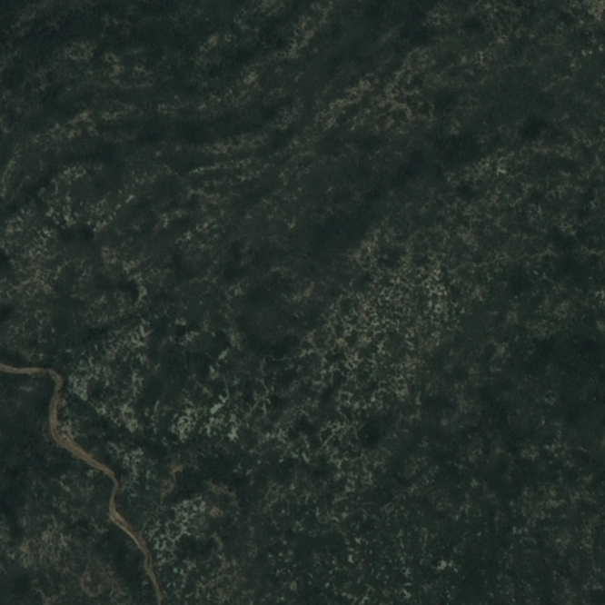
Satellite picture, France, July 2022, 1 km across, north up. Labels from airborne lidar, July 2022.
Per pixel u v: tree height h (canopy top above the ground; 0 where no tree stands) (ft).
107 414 0
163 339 0
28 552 0
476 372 0
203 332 0
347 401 0
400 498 0
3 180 0
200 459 18
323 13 0
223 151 0
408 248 0
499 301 0
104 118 0
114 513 0
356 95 0
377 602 0
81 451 0
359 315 0
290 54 0
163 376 0
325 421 0
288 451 0
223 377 0
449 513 0
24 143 0
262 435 0
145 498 0
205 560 0
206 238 0
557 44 0
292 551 0
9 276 0
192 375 0
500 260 0
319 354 0
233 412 0
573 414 19
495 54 0
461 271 0
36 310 0
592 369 20
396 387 0
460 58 0
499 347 0
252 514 0
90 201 0
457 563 0
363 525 0
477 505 0
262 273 0
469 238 0
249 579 0
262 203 0
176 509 0
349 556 0
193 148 0
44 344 0
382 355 0
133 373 0
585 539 0
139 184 0
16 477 20
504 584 0
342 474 0
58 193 0
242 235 0
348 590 0
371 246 0
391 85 0
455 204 0
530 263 0
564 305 0
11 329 0
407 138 0
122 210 0
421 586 0
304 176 0
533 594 0
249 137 0
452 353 0
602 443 0
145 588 20
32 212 0
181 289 0
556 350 17
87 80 0
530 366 17
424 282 0
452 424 0
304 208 0
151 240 0
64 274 0
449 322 0
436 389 0
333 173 0
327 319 0
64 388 19
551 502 0
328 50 0
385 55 0
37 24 18
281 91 0
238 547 0
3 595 0
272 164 0
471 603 0
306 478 0
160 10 19
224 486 0
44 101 19
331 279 0
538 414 0
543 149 0
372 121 0
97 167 0
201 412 0
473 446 0
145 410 0
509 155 0
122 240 0
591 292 0
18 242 0
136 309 0
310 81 0
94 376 0
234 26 21
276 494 0
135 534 0
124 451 0
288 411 0
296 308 0
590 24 0
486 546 0
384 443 0
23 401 0
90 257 0
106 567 0
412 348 0
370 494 0
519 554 0
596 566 0
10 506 17
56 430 0
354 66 0
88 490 0
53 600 0
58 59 0
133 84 0
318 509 0
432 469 0
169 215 0
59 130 0
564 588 0
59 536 0
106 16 0
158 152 0
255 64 0
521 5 18
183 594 0
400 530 0
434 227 0
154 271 0
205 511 0
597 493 0
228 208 0
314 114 0
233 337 0
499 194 0
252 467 0
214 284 0
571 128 0
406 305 0
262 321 0
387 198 0
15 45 21
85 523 24
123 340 0
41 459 18
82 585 0
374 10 18
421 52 0
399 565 0
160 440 0
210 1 0
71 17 21
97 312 0
